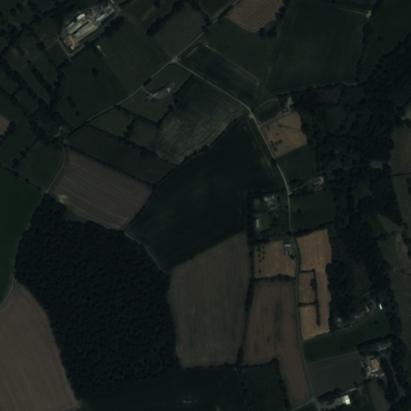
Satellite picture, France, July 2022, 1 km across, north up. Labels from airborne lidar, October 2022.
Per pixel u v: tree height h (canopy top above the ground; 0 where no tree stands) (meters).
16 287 0
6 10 0
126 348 18
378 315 0
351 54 0
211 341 0
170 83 0
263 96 0
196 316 0
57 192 0
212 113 0
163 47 0
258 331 0
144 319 19
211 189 0
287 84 0
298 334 0
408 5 0
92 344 17
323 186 5
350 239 26
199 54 0
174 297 0
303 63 0
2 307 0
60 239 10
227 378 0
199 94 0
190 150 0
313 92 20
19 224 0
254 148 0
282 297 0
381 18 0
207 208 0
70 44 0
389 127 36
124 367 20
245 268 0
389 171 17
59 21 10
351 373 0
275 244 0
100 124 0
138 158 0
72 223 14
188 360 0
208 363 0
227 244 0
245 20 0
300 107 12
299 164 0
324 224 6
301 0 0
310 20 0
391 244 0
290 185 6
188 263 0
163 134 0
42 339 0
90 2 0
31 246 18
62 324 17
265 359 0
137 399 0
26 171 0
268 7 0
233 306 0
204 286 0
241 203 0
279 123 0
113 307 16
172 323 16
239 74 0
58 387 0
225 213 0
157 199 0
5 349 0
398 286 0
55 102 17
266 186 0
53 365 0
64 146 11
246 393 17
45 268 20
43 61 0
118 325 17
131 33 0
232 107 0
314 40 0
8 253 0
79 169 0
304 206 0
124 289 17
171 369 13
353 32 0
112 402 0
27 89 10
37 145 0
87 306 20
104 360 20
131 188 0
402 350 31
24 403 0
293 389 0
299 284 0
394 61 27
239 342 0
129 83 0
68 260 20
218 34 0
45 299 16
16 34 24
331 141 25
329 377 0
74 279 19
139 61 0
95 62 0
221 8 0
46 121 0
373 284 8
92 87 0
